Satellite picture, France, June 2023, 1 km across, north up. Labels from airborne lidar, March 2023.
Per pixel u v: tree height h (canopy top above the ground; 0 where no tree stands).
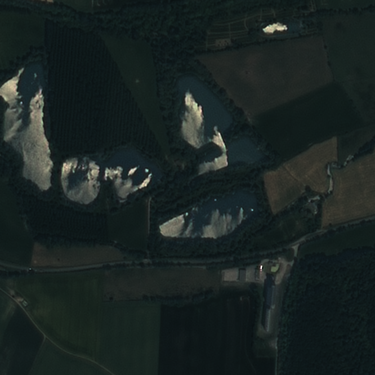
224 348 0
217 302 0
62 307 0
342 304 20
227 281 0
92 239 11
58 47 26
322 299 23
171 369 0
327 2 0
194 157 23
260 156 0
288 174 0
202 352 0
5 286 0
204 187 8
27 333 0
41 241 18
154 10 19
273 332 0
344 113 0
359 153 10
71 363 0
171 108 16
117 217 0
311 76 0
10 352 0
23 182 15
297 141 0
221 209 0
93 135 27
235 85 0
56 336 0
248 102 0
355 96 0
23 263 0
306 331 22
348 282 14
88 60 22
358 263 25
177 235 0
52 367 0
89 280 0
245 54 0
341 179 0
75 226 22
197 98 0
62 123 26
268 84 0
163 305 0
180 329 0
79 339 0
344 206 0
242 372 0
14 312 0
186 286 0
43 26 0
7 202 0
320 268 20
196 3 12
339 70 0
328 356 20
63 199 12
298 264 15
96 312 0
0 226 0
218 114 0
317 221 13
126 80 0
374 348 13
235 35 0
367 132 0
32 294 0
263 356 0
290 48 0
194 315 0
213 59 0
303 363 23
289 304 15
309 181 0
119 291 0
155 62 14
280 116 0
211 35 0
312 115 0
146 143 18
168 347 0
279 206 0
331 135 0
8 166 30
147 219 0
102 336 0
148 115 0
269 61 0
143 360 0
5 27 0
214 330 0
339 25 0
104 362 0
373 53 0
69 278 0
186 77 0
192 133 0
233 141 0
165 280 0
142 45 0
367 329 8
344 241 0
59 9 19
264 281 0
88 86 23
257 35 13
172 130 14
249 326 0
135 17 21
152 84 0
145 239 0
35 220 21
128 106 22
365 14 0
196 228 0
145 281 0
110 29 21
